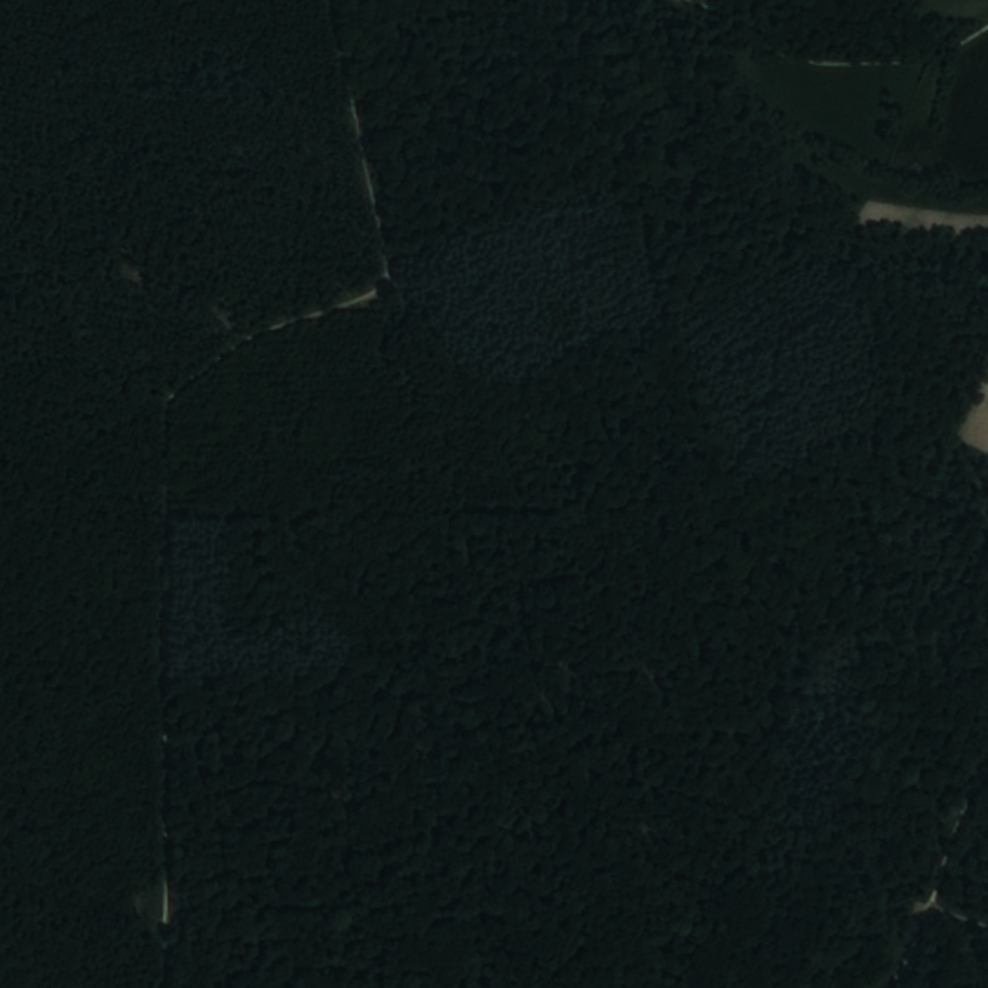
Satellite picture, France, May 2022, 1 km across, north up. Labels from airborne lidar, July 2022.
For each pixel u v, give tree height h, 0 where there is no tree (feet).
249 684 87
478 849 80
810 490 99
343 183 65
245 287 69
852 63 38
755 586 93
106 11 52
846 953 103
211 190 58
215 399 32
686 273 105
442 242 68
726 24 78
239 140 56
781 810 93
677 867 93
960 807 103
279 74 56
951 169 50
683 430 97
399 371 70
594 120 73
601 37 109
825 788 86
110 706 88
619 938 93
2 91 57
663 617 79
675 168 109
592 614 89
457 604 94
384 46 84
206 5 61
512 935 83
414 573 86
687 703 89
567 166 79
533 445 79
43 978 86
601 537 90
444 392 63
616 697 89
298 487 45
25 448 68
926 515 95
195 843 67
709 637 89
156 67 59
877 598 88
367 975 31
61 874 82
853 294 85
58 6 58
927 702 103
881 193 0
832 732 112
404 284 81
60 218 60
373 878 43
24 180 61
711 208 94
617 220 47
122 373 66
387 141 99
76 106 52
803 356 119
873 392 55
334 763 91
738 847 88
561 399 91
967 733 66
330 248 62
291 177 66
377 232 54
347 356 22
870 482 80
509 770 94
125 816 75
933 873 84
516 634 33
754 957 108
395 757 89
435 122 96
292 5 53
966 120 0
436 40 66
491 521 82
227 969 66
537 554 86
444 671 91
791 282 70
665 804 88
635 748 100
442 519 69
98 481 75
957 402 105
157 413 64
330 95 60
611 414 87
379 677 91
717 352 52
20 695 61
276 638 95
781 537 95
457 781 76
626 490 88
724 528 90
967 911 88
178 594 93
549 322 74
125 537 64
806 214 104
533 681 83
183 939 88
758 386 89
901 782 95
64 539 78
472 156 92
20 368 62
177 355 73
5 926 87
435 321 89
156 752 50
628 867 94
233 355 30
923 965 104
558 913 91
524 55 102
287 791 90
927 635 96
